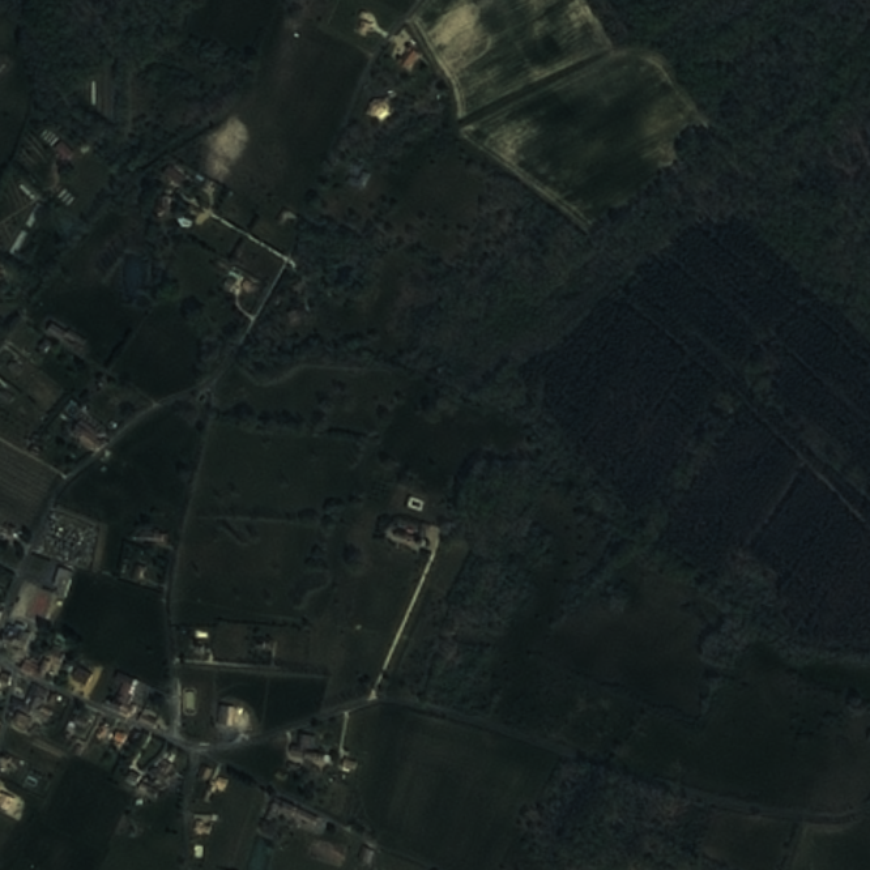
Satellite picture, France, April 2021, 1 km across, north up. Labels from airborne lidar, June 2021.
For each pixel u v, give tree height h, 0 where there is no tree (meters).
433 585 0
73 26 18
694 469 15
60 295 0
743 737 0
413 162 0
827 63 17
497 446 0
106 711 0
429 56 0
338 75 0
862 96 17
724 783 0
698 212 21
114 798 0
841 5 22
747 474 16
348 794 0
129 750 10
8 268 14
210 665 12
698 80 22
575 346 14
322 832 0
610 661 0
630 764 0
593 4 15
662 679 0
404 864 0
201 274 0
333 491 0
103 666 0
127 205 11
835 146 22
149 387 0
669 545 18
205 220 0
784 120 18
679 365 17
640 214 17
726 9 17
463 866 0
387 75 9
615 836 22
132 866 0
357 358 15
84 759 0
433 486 0
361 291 11
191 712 0
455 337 15
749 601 12
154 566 10
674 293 18
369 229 10
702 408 17
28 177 14
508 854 0
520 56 0
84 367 14
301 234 15
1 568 9
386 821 0
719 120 19
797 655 13
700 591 13
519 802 0
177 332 0
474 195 0
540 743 0
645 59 0
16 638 0
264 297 15
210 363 19
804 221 21
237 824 0
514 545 9
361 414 0
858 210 20
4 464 0
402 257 0
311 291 11
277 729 0
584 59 0
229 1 0
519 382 15
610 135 0
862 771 0
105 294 0
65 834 0
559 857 14
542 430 12
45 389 0
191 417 19
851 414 18
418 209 0
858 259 20
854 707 13
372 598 0
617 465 15
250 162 0
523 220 16
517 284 22
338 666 0
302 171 0
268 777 0
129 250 24
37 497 0
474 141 0
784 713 0
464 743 0
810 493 10
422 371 8
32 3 23
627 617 0
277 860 0
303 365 24
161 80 6
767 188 19
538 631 0
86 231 13
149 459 0
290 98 0
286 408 0
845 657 15
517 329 16
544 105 0
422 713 0
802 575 13
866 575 16
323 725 6
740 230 19
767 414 16
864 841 0
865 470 15
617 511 18
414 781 0
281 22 0
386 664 0
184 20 20
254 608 0
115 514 0
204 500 0
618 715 0
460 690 9
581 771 15
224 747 0
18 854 0
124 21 20
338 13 0
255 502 0
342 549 0
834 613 15
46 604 0
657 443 12
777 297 15
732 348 19
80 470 0
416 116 6
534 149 0
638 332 15
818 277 12
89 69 17
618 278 10
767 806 0
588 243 15
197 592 0
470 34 0
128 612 0
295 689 0
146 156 10
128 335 7
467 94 0
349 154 7
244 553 0
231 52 5
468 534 10
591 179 0
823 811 0
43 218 16
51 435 7
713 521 17
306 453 0
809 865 0
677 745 0
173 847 0
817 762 0
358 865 0
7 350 0
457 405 15
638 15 21
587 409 17
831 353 17
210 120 10
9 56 0
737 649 14
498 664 0
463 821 0
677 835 6
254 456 0
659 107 0
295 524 8
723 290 13
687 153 17
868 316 15
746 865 0
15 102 0
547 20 0
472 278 11
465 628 11
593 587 10
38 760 0
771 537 11
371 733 0
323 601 0
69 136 10
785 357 15
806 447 12
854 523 17
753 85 20
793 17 11
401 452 0
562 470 11
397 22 0
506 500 19
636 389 14
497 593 11
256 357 17
